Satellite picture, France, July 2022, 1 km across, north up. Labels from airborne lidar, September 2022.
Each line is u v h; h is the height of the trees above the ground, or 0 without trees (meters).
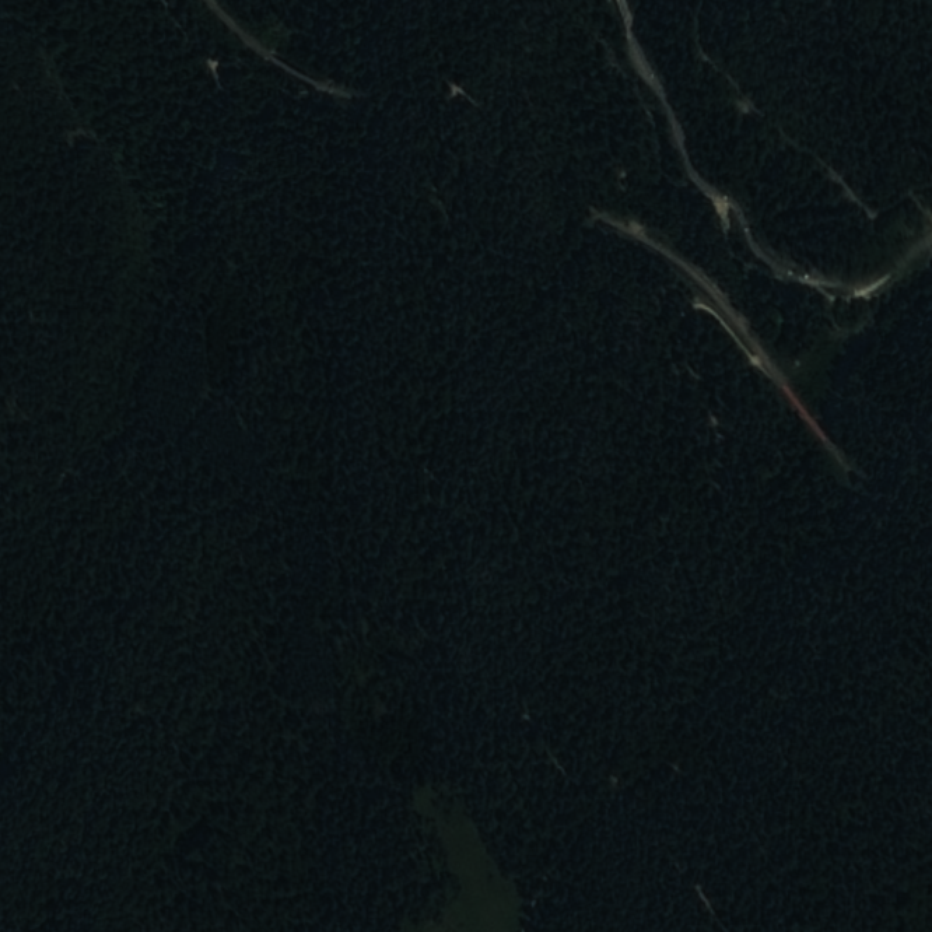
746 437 23
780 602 20
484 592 11
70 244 18
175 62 24
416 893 24
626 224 0
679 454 23
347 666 7
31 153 18
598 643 21
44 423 16
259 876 23
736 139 33
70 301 14
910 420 36
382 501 24
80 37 33
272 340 21
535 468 21
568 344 23
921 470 23
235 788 18
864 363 29
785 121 12
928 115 28
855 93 29
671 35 9
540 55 24
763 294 28
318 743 21
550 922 21
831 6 34
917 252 0
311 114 23
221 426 19
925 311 41
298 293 18
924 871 22
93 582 17
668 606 16
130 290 23
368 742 5
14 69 16
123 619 30
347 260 21
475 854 0
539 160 10
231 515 25
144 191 33
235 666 18
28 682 20
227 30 14
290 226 27
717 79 16
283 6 27
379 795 27
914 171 16
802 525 24
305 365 17
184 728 6
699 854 27
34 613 27
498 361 14
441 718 8
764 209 24
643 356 26
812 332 17
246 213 14
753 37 15
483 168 19
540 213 11
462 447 19
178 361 17
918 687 21
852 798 22
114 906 15
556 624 24
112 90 6
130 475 28
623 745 24
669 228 25
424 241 15
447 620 23
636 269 15
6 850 13
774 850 16
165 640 15
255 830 13
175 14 22
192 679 18
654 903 19
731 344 31
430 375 37
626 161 23
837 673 16
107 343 19
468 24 23
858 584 29
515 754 26
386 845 29
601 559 27
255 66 17
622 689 11
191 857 22
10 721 6
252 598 16
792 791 17
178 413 17
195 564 11
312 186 36
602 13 15
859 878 25
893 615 18
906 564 25
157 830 22
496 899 0
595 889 24
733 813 29
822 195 22
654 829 23
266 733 25
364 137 19
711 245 21
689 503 26
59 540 17
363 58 22
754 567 13
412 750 10
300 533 27
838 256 16
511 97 21
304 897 27
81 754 28
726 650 27
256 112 11
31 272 14
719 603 13
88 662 21
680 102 13
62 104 9
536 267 26
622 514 27
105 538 12
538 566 26
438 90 17
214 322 12
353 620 36
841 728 19
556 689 16
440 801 6
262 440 23
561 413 21
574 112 18
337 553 7
